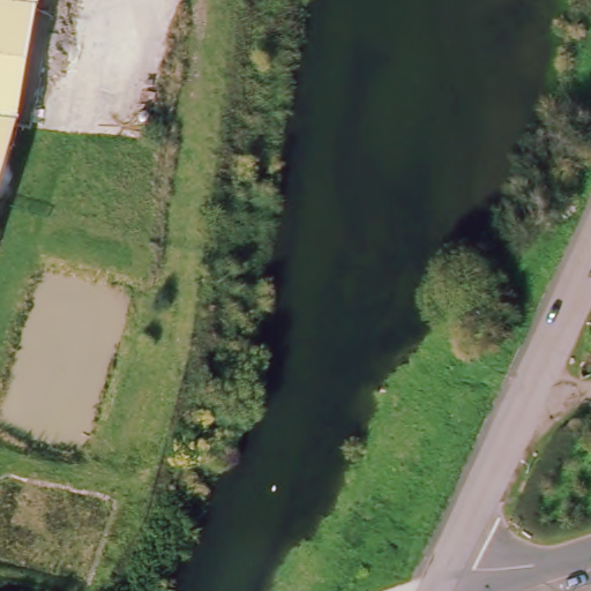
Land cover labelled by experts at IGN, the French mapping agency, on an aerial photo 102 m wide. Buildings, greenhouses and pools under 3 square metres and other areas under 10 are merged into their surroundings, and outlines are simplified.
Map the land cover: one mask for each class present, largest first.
<instances>
[{"label":"water","instance_id":"1","mask_svg":"<svg viewBox=\"0 0 591 591\"><path fill-rule=\"evenodd\" d=\"M570 12L568 0H309L307 32L300 46L298 67L293 72V111L286 118L282 141V182L275 187V192L282 199V210L272 235V254L265 261V277L272 286V309L265 312V316L252 332L249 342L254 346H265L270 351V365L265 374L259 379L263 386V416L254 425L238 439L235 466L222 471L208 489V494L203 496L208 501V510L194 524L199 538L192 547L189 559L175 561L173 570L164 579L169 586L166 591H272L277 570L286 561L289 552L305 540H312L321 522L337 506L339 492L346 482V471L351 466L344 455V443L367 441L369 422L376 413V390L386 386L388 376L399 365H406L411 360V356L420 349L422 339L427 337L429 328L418 309L416 293L429 268V261L441 247L459 245L473 249L482 240V235L494 226L492 208L503 201V185L508 182V180H510V155L517 150L519 139L524 134H533L545 125L543 111L547 106V97L556 92V55L559 44L563 39L554 35V23L563 21ZM32 312L23 326L21 349L14 353V367L7 369L2 376L0 402V422H9L18 429H25L44 443L83 446L88 441L99 409V392L106 388L109 367L115 360V351L127 321V296L120 291L76 277L42 272L35 279L32 293L28 298Z\"/></svg>","mask_w":591,"mask_h":591},{"label":"herbaceous vegetation","instance_id":"2","mask_svg":"<svg viewBox=\"0 0 591 591\"><path fill-rule=\"evenodd\" d=\"M247 7V0H208V25L203 28L201 55L196 60L199 78L189 81V95L182 97L178 106V115L185 122L182 143L173 145L164 136L159 139L157 150H145L136 139L118 134H67L53 129H37L35 134L23 180L0 242V402L2 376L7 369L14 367V353L21 349L23 326L32 312L28 298L32 293L35 279L42 272L76 277L120 291L127 296V321L115 351V360L109 367L106 388L99 392V409L88 441L95 446L97 452H85L81 464H58L0 448V478L5 473H23L46 480L72 482L78 492L102 489L111 496H118L120 506L134 499L150 496L152 476L157 473L159 464V457L152 455V443L157 441L159 427L166 420L171 422L173 416L178 388L192 346L196 275L208 272V268L203 265L205 222L199 215V208L212 194V182L217 173L215 152L222 143V109L229 102V85L224 76L226 48L235 46L233 28L238 23V14ZM577 67L586 78L575 81L568 92L570 102H577L582 109L591 113V28L582 39H575ZM589 203V192L573 196V203L563 210V224L547 226L543 231L536 226V217H529V208L513 196H510L508 201H503L492 208L494 226L482 235V240L473 249L487 261V268L494 282L499 284L501 300L510 302L519 314L529 312V298L538 302L545 296V289L561 261V254L566 252L570 235L582 222L584 208ZM531 330L526 326L519 328H513L506 342L501 344L482 346L480 358L462 362L452 356L450 342L439 337L429 328L427 337L422 339L420 349L411 356V360L406 365H399L388 376L386 386L376 390V413L369 422L367 441L344 443V455L351 466L346 471V482L339 492L337 506L321 522L312 540H305L289 552L286 561L277 570L272 591H386L413 577L422 559V552L459 480V473L471 455L476 436L487 413L492 411L494 397L510 367V360ZM552 469H561L563 473L559 485L547 489L545 499L570 496L575 485L579 482V473L586 471L591 476V441L582 439L577 432L559 429L556 425L526 448V462L517 469L515 480L503 496L506 515L510 519L519 522L522 529L531 522L536 499L543 494V478Z\"/></svg>","mask_w":591,"mask_h":591},{"label":"brushwood","instance_id":"3","mask_svg":"<svg viewBox=\"0 0 591 591\"><path fill-rule=\"evenodd\" d=\"M208 25V0H180L175 16L169 25V48L159 62V69L148 76V88L141 92L148 118L164 125V136L173 145L182 143L185 122L178 115V106L182 97L189 95V81L199 78L196 60L201 55L203 28ZM309 0H247V7L238 14V23L233 28L235 46L226 48L224 76L229 85V102L222 109V143L215 152L217 173L212 182V194L199 208V215L205 222L203 265L208 268V272L196 275L192 346L178 388L173 416L171 422L166 420L159 427L157 441L152 443V455L159 457V464L157 473L152 476L150 496L134 499L120 506L118 496H111L102 489L78 492L72 482L46 480L23 473H5L0 478V591H166L169 586L164 579L173 570L175 561L189 559L192 547L199 538L194 524L208 510V501L203 496L208 494V489L222 471L235 466L238 439L254 425L235 406L233 395L217 392L215 379L208 372V365L203 362L205 351L210 349L215 351L217 360H224L231 351L238 349L240 342H249L252 332L265 316V312L272 309V286L265 277V261L272 254V235L282 210V199L275 192V187L282 182V141L286 118L293 111V72L298 67L300 46L307 32ZM240 155L254 157L256 173L249 180L235 175ZM570 12L563 21L554 23V35L563 39L559 44L556 55V92H568L575 81L586 78L577 67L575 39H582L591 28V0H568ZM35 134L32 129H21L16 125L5 171L0 178V242L23 180ZM529 312L519 314L515 321L519 328L526 326L531 330L538 302L529 298ZM570 376L591 379V316L589 326L582 328L579 339L573 349V365H568ZM559 429L577 432L582 439L591 441V399L579 404L575 411L566 413L563 420L556 425ZM0 448L58 464H81L85 452H97L95 446L88 441L83 446L44 443L25 429H18L9 422H0ZM563 473L561 469H552L543 478V494L536 499L531 522L522 529L519 522L510 519V531L517 538L536 545H559L591 533V476L586 471L579 473V482L575 485L570 496L545 499L547 489L559 485Z\"/></svg>","mask_w":591,"mask_h":591},{"label":"impervious surface","instance_id":"4","mask_svg":"<svg viewBox=\"0 0 591 591\"><path fill-rule=\"evenodd\" d=\"M591 316V189L589 192V203L584 208L582 222L570 235L566 252L561 254V261L545 289V296L538 302L531 330L510 360V367L494 397L492 411L487 413L476 436L471 455L459 473V480L422 552V559L413 577L386 591H591V533L559 545H536L517 538L510 531V519L506 515L503 496L515 480L517 469L526 462V448L556 425L563 420L566 413L575 411L579 404L591 399V379L570 376L568 365H573V349L579 339L582 328L589 326Z\"/></svg>","mask_w":591,"mask_h":591},{"label":"bare soil","instance_id":"5","mask_svg":"<svg viewBox=\"0 0 591 591\"><path fill-rule=\"evenodd\" d=\"M180 0H37L16 125L21 129H32L35 134L37 129H53L67 134H118L136 139L148 118L141 92L148 88V76L159 69V62L169 48V25L175 16Z\"/></svg>","mask_w":591,"mask_h":591},{"label":"deciduous trees","instance_id":"6","mask_svg":"<svg viewBox=\"0 0 591 591\"><path fill-rule=\"evenodd\" d=\"M545 125L533 134H524L519 139L517 150L510 155V173H513L515 178H524V180H526V182H524V187H522V189H517V192H515L513 196L529 208V217H536V226L543 231L547 226L563 224V210L573 203V196L589 192L591 189V113L582 109L577 102H570L568 92H556L547 97V106L543 111ZM164 136V125L148 118L136 139L145 150H157L159 139ZM418 309L429 328L439 337L450 342L452 356L462 362L480 358L482 346L501 344L506 342L513 328H519L515 321L519 314L510 302L501 300L499 284L494 282L487 268V261L473 249L459 245L441 247L429 261V268L416 293Z\"/></svg>","mask_w":591,"mask_h":591},{"label":"coniferous trees","instance_id":"7","mask_svg":"<svg viewBox=\"0 0 591 591\"><path fill-rule=\"evenodd\" d=\"M256 173L254 157L240 155L235 175L249 180ZM524 182H526V180H524V178H515L513 173H510V180H508V182L503 185V201H508L510 196H513L515 192H517V189H522V187H524ZM203 362L208 365V372L215 379L217 392L233 395L235 406L254 425L263 416V386L259 379L265 374L270 365V351L265 346H254L249 342H240L238 349L231 351L224 360H217L215 351L210 349L205 351Z\"/></svg>","mask_w":591,"mask_h":591},{"label":"building","instance_id":"8","mask_svg":"<svg viewBox=\"0 0 591 591\"><path fill-rule=\"evenodd\" d=\"M37 0H0V178L5 171L16 125Z\"/></svg>","mask_w":591,"mask_h":591}]
</instances>
